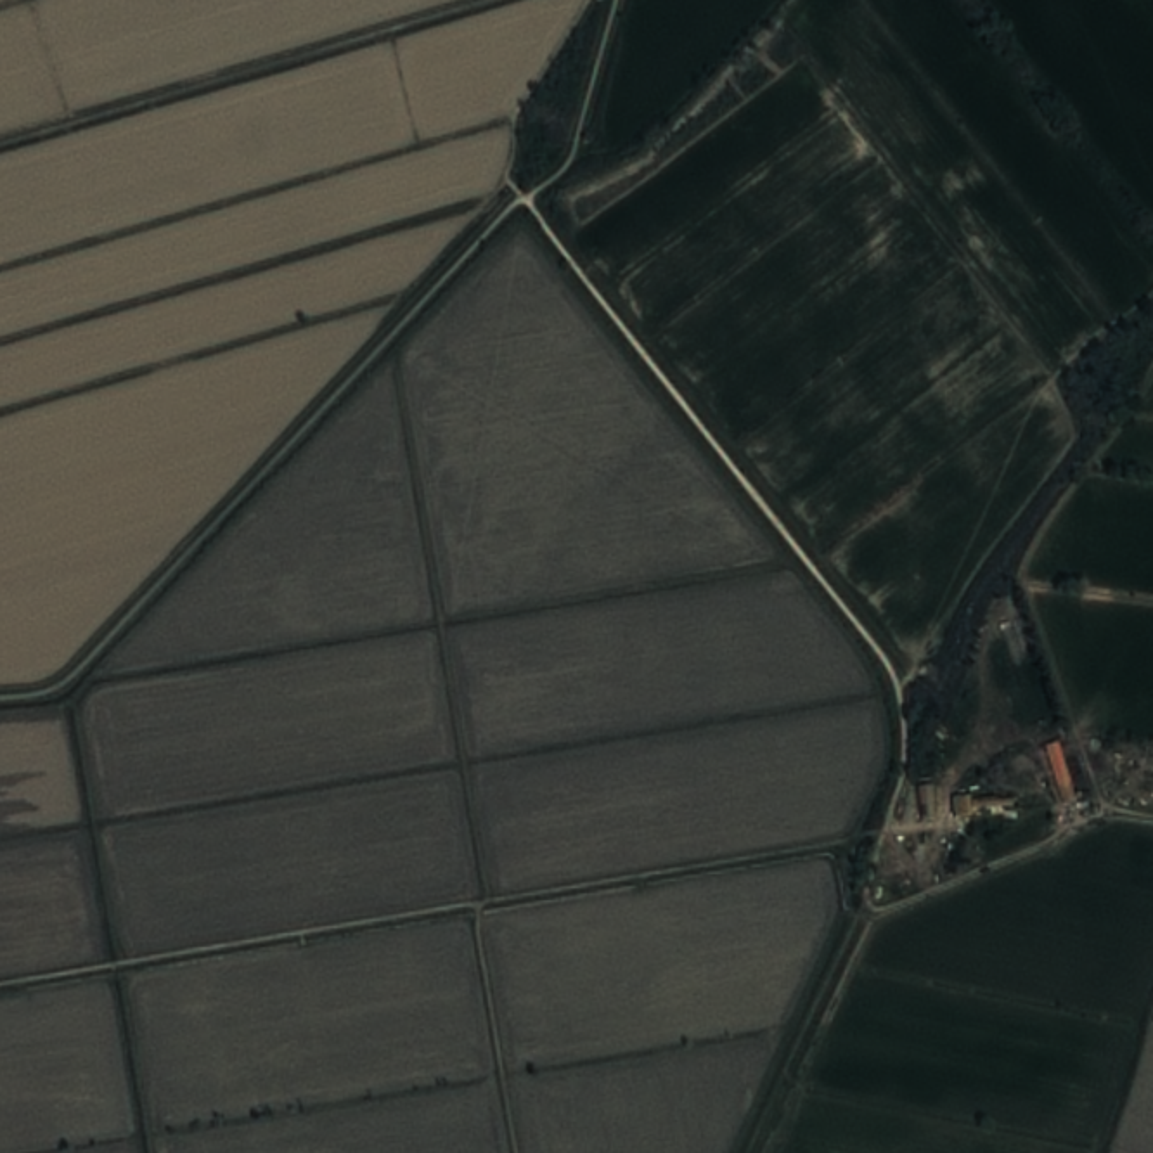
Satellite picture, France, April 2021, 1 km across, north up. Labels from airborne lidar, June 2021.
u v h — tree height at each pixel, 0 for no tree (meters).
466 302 0
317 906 0
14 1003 0
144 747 0
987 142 0
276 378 0
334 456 0
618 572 0
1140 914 0
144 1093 0
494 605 0
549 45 0
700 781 0
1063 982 0
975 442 0
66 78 0
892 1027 0
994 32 15
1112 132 0
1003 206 0
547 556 0
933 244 0
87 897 0
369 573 0
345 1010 0
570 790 0
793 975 0
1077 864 0
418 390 0
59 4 0
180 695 0
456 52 0
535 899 0
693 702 0
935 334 0
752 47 10
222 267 0
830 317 0
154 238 0
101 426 0
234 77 0
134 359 0
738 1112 0
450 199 0
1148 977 0
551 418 0
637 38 0
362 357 0
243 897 0
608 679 0
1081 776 0
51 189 0
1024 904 0
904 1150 0
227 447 0
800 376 0
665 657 0
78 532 0
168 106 0
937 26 0
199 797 0
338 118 0
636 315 0
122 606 0
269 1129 0
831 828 0
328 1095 0
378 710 0
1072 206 0
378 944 0
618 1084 0
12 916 0
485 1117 0
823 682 0
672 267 0
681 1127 0
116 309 0
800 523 0
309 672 0
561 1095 0
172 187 0
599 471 0
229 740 0
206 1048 0
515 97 0
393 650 0
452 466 0
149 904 0
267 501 0
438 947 0
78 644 0
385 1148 0
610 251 0
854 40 0
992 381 0
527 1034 0
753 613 0
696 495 0
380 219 0
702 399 0
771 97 0
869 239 0
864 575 0
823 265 0
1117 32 0
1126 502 0
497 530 0
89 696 0
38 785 0
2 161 0
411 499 0
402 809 0
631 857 0
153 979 0
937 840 0
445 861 0
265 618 0
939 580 0
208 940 0
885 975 0
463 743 0
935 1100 0
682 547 0
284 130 0
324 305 0
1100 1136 0
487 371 0
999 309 0
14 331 0
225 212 0
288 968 0
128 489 0
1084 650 0
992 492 0
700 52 0
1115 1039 0
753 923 0
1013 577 6
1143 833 0
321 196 0
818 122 0
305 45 0
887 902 0
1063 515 0
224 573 0
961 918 0
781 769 0
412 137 0
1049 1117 0
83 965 0
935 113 0
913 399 0
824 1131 0
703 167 0
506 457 0
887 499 0
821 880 0
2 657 0
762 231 0
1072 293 0
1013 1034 0
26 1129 0
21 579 0
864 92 0
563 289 0
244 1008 0
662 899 0
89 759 0
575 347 0
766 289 0
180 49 0
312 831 0
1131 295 0
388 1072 0
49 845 0
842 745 0
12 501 0
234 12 0
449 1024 0
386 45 0
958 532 0
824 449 0
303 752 0
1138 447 0
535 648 0
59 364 0
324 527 0
